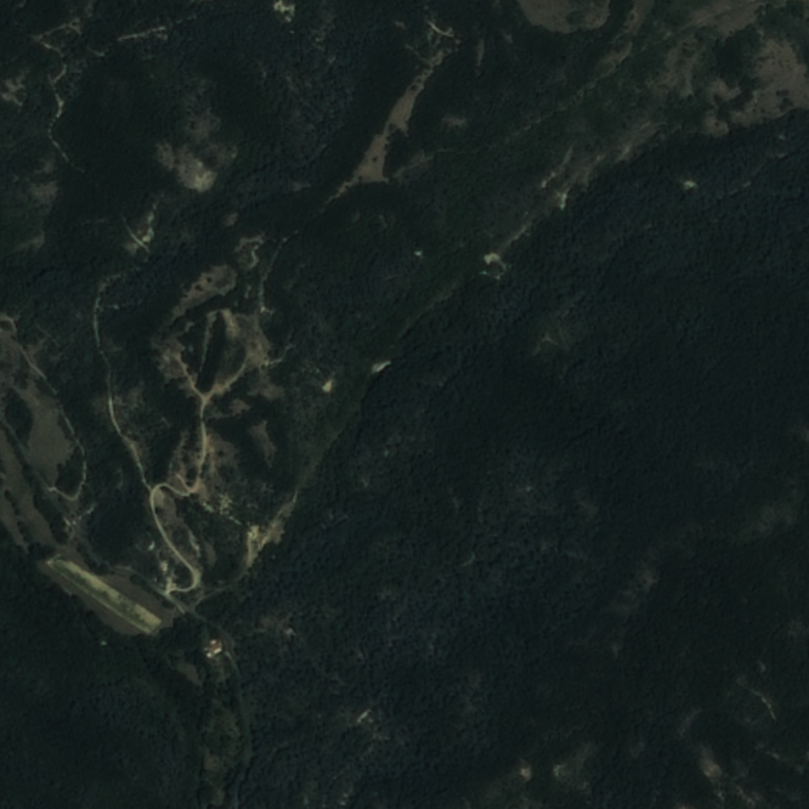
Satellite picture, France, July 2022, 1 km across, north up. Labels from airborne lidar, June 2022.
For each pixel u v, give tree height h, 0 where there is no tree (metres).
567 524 9
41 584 10
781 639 7
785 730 7
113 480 8
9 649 8
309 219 10
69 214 10
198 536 7
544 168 9
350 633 11
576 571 9
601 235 6
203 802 19
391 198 10
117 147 8
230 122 7
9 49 6
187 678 10
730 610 12
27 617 16
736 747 7
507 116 10
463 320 7
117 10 8
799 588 10
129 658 12
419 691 13
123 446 8
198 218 10
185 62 10
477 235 9
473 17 9
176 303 10
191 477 9
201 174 0
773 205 7
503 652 9
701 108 10
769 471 9
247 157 10
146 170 7
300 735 8
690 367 11
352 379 7
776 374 10
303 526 11
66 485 12
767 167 6
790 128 7
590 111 7
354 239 11
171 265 12
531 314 11
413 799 6
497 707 7
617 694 8
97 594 0
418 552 12
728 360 6
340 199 9
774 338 11
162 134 8
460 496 6
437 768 12
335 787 8
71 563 0
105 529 10
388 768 9
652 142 6
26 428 9
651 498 10
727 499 6
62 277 14
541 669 7
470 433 10
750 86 7
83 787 7
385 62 10
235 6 6
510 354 15
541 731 9
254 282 8
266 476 9
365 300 8
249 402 6
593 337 8
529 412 9
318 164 11
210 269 8
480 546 11
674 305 10
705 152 12
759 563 7
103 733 13
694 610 10
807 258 6
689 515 6
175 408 9
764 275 7
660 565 8
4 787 13
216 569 6
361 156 10
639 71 10
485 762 7
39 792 11
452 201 8
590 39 8
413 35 6
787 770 8
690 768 9
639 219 7
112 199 11
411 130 8
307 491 11
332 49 9
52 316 7
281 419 9
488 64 9
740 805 7
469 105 11
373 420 12
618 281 10
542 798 9
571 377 12
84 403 8
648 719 10
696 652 9
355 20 7
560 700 9
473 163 10
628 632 7
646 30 7
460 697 7
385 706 9
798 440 7
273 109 6
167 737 12
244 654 8
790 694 10
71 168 8
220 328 7
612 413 8
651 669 12
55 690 11
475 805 10
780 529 8
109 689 13
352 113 7
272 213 9
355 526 11
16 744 11
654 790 6
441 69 11
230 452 0
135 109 7
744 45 10
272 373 6
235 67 8
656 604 14
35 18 8
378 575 8
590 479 14
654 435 11
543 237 11
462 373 11
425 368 11
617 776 10
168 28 6
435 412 8
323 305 6
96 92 5
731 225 10
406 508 8
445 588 9
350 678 9
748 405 9
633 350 10
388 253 9
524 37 9
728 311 14
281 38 13
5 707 7
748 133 10
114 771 11
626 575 7
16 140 8
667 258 11
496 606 9
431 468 8
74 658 15
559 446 8
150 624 0
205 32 8
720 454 7
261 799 8
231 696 9
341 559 10
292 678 9
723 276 11
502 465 7
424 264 6
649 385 11
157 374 11
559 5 0
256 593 7
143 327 15
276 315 8
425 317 11
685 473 12
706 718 8
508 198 7
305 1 8
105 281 7
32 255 8
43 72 10
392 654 11
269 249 8
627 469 14
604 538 8
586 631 6
